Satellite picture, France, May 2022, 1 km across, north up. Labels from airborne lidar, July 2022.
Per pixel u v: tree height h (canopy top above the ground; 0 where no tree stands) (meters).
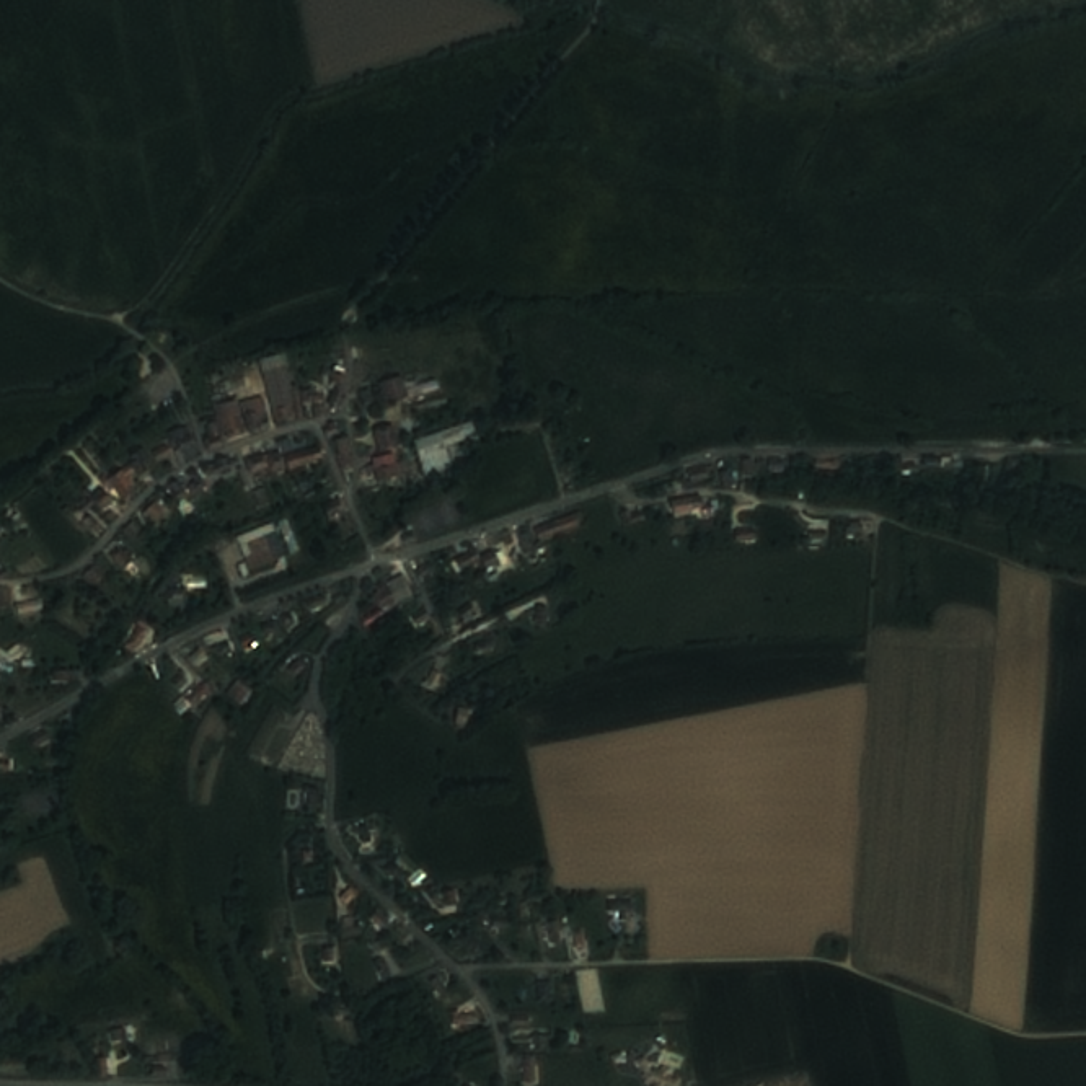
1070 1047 0
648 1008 0
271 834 0
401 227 0
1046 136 0
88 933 0
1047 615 0
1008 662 0
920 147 0
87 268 0
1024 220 0
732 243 0
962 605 0
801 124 0
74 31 0
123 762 0
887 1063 0
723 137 0
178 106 0
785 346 0
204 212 0
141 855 0
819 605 0
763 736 0
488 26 0
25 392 0
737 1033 0
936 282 0
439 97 0
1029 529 9
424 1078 14
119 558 0
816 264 0
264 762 0
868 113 0
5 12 0
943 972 0
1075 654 0
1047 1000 0
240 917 8
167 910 0
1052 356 0
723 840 0
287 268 0
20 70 0
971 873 0
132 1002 0
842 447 0
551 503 0
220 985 0
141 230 0
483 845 0
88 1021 0
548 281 0
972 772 0
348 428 0
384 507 0
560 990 0
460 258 0
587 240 0
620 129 0
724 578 0
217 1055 32
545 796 0
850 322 0
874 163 0
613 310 7
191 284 0
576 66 0
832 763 0
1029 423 0
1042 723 0
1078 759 0
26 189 0
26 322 0
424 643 8
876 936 0
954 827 0
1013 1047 0
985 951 0
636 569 0
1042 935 0
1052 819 0
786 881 0
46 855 0
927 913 0
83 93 0
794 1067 0
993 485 11
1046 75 0
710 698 0
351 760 0
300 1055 0
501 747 0
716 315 0
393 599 0
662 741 0
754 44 0
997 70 0
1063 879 0
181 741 0
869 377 0
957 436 0
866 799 0
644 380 0
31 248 0
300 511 10
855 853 0
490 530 0
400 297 0
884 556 0
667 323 0
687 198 0
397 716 0
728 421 0
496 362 0
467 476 20
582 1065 0
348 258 0
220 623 0
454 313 16
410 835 0
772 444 0
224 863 0
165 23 0
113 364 13
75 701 0
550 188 0
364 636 7
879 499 8
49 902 0
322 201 0
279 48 0
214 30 0
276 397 0
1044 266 0
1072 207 0
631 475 0
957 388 0
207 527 14
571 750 0
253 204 0
